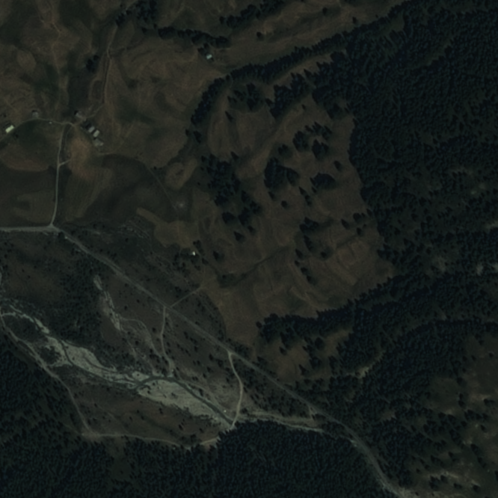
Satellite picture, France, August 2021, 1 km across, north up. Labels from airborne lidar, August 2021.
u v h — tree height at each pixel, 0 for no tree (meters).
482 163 17
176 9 0
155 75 0
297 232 0
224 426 0
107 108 0
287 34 0
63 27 0
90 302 6
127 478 0
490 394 0
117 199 0
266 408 9
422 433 0
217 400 0
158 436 0
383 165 20
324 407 8
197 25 0
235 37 0
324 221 0
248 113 0
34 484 15
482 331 17
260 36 15
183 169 0
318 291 0
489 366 0
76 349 0
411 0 0
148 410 0
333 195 0
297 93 22
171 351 8
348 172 0
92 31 0
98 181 0
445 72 23
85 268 8
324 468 24
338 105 0
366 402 28
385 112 19
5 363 21
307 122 0
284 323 13
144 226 0
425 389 21
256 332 0
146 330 0
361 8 0
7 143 0
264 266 0
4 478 19
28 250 0
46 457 10
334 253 0
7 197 0
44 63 0
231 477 18
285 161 0
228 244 0
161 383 0
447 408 0
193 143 0
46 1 0
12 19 0
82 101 0
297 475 21
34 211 0
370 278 0
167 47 0
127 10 0
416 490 0
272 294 0
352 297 0
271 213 0
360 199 0
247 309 0
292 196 0
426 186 0
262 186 0
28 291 0
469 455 0
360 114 21
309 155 0
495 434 0
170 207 0
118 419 0
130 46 0
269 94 0
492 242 17
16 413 18
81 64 0
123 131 0
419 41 20
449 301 20
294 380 0
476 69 21
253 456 21
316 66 0
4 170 0
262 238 0
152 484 14
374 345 21
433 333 24
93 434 0
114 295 0
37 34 0
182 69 0
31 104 0
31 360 0
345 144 0
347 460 20
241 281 0
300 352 0
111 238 0
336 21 0
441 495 0
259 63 0
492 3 16
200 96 0
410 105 23
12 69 0
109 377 0
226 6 0
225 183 13
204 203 0
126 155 0
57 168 0
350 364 21
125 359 7
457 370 15
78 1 0
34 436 22
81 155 0
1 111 0
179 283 0
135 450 13
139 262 0
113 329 0
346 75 17
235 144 0
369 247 0
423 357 27
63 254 0
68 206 0
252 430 16
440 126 15
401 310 23
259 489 18
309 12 0
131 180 0
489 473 0
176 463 16
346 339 0
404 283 26
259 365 11
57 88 0
